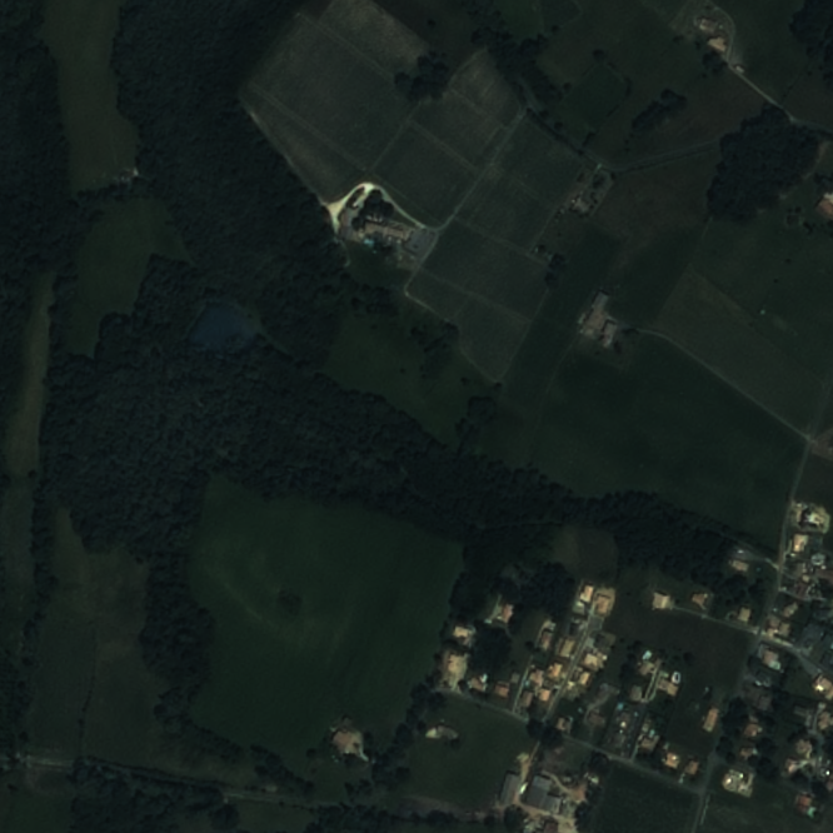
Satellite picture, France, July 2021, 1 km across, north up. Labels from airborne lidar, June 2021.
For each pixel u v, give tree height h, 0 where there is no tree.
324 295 12
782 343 0
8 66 16
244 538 0
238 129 27
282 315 16
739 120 0
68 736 0
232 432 19
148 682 0
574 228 0
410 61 0
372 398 11
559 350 0
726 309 0
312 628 0
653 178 0
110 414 21
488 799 0
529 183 0
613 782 0
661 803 0
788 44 0
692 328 0
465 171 0
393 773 19
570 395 0
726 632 0
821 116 0
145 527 18
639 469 0
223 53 20
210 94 22
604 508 25
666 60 0
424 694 19
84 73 0
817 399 0
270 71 0
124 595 0
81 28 0
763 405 0
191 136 23
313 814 8
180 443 19
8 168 18
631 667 9
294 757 0
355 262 0
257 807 0
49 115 20
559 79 0
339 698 0
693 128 0
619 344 5
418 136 0
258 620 0
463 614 10
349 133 0
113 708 0
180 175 21
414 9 0
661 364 0
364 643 0
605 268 0
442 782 0
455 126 0
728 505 0
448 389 0
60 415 21
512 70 14
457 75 0
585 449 0
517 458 0
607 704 0
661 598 0
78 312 0
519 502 14
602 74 0
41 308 0
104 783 21
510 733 0
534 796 0
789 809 0
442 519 17
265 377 7
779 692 20
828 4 25
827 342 0
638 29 0
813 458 0
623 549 16
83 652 0
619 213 0
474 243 0
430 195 0
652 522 19
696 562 9
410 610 0
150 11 21
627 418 0
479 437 17
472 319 0
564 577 21
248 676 0
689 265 0
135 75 19
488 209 0
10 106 21
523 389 0
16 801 0
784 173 21
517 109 0
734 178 22
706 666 0
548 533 10
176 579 8
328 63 0
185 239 12
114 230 0
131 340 19
